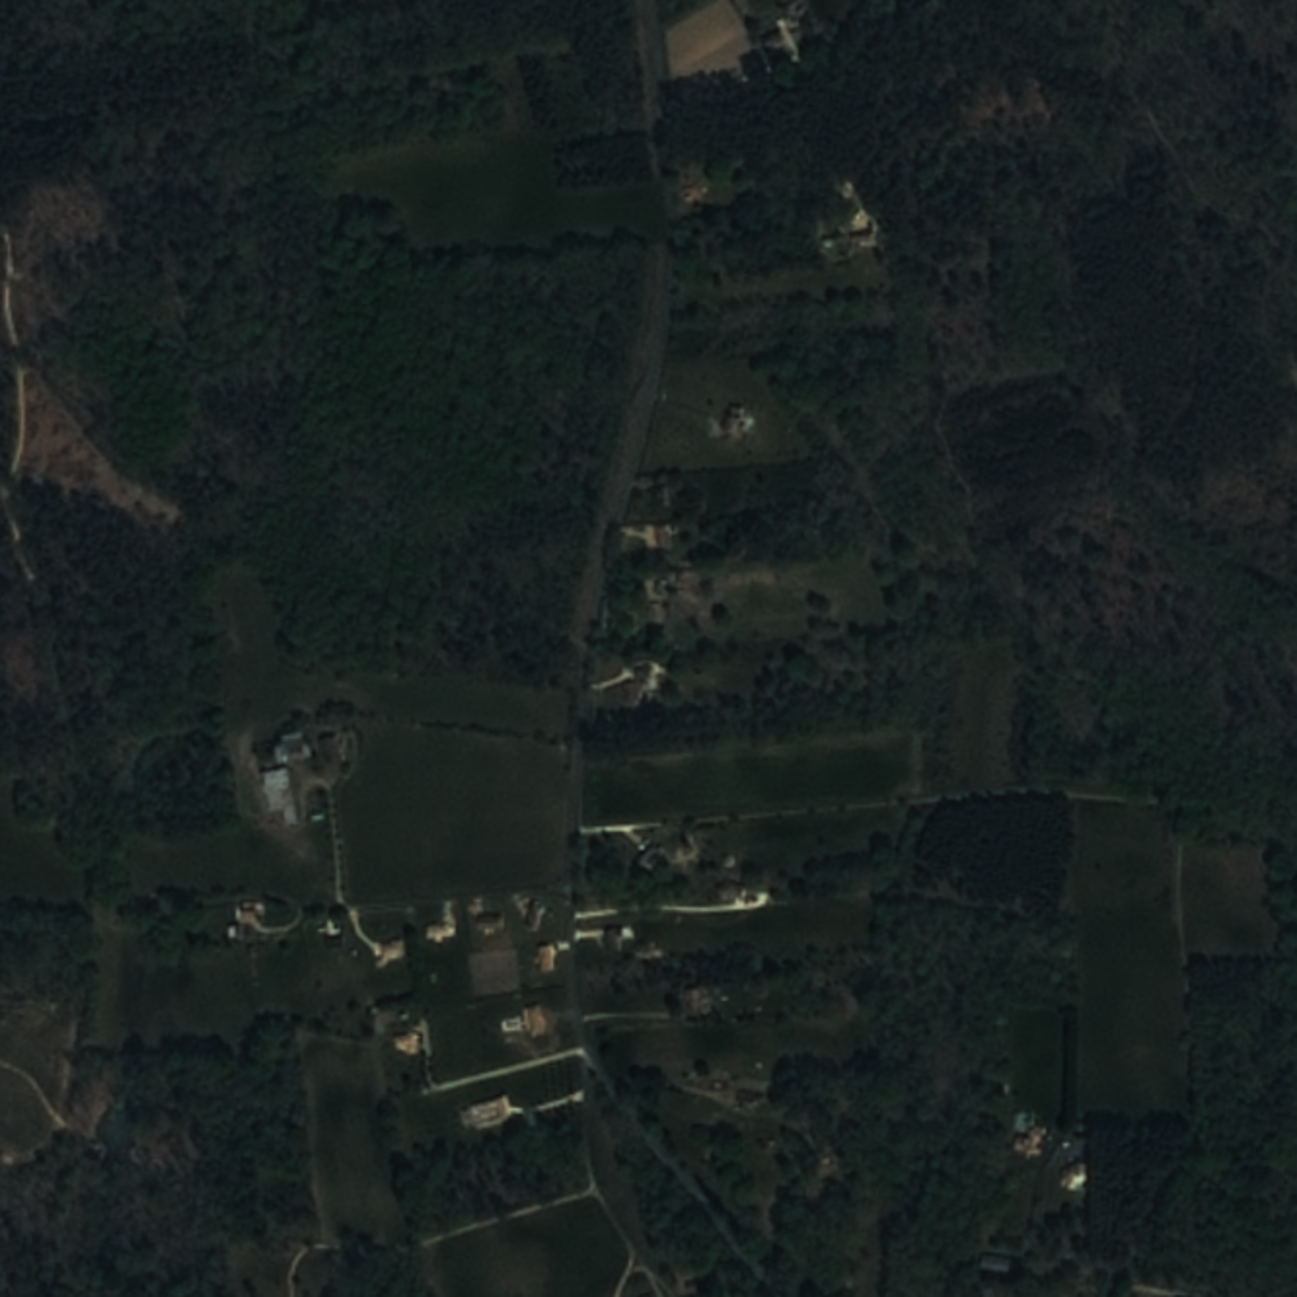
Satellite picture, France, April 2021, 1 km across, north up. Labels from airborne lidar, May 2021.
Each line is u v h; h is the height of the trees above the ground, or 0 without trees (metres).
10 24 20
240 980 0
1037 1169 0
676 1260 11
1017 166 15
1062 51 19
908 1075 22
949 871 10
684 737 22
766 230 21
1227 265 14
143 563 26
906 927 21
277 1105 15
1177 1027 0
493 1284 0
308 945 0
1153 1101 0
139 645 23
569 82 6
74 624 21
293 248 29
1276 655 19
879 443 14
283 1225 14
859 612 0
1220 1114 22
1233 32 6
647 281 15
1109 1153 19
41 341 10
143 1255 21
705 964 10
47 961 15
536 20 19
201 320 22
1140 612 8
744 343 9
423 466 15
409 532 20
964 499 16
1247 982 15
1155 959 0
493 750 0
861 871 18
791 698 19
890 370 24
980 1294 12
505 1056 0
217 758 19
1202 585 17
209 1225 16
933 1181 24
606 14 21
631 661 15
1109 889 0
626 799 0
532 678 20
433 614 18
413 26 22
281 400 20
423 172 0
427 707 0
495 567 16
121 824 21
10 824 0
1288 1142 20
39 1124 0
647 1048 0
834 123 18
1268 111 19
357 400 20
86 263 15
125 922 17
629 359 17
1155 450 19
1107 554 20
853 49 15
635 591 12
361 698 0
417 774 0
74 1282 12
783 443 0
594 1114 0
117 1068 14
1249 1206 29
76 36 7
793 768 0
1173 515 17
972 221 21
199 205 26
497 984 0
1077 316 21
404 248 21
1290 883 20
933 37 18
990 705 0
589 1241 0
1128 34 9
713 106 24
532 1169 17
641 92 13
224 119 10
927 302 14
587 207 0
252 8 24
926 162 10
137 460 17
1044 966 14
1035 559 15
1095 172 16
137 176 11
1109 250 20
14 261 10
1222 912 0
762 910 0
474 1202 15
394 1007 7
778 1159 0
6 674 19
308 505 22
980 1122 14
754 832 0
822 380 20
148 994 0
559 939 0
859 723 18
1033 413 7
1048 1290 16
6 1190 9
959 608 19
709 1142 6
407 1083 7
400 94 10
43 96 18
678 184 16
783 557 17
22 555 12
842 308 14
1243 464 16
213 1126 15
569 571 15
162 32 18
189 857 0
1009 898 10
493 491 14
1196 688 21
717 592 13
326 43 14
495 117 16
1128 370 18
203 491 20
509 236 0
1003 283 18
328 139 27
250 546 18
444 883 0
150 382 19
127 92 20
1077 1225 17
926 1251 15
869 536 20
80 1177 18
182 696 21
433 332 16
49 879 0
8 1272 15
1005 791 0
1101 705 13
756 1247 16
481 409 15
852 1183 10
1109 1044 0
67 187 15
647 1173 17
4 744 22
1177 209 11
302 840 0
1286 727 17
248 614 0
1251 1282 13
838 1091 26
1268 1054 23
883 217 12
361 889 0
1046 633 16
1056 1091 0
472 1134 0
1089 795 0
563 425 9
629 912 14
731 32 0
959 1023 12
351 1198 0
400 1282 13
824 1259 26
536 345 19
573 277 15
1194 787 21
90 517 22
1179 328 20
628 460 0
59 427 0
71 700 14
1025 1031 0
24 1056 0
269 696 0
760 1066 0
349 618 25
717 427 0
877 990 20
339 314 21
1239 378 20
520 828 0
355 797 0
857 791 0
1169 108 13
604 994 0
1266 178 17
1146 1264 11
